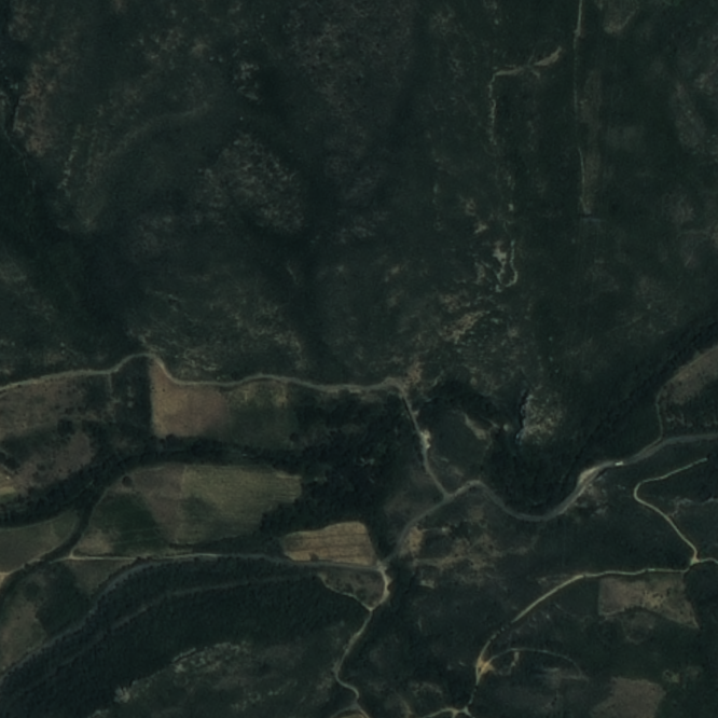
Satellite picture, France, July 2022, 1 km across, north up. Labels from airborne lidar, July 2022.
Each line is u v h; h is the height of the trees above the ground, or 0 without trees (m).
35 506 12
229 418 0
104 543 0
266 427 0
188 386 0
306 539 0
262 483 0
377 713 9
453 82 0
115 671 7
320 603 9
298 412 6
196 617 6
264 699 0
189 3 0
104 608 7
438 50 0
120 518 0
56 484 6
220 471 0
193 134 0
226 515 0
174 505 0
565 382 9
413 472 0
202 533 0
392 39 0
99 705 10
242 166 0
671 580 0
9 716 7
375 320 0
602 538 7
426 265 0
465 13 0
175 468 0
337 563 0
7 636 0
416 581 8
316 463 9
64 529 0
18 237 7
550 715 6
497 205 0
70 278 10
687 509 0
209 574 6
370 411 8
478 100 0
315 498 12
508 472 20
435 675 15
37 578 0
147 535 0
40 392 0
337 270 0
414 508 0
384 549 9
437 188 0
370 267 0
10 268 0
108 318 6
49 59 0
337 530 0
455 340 8
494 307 11
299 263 6
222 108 0
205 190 0
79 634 7
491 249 0
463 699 11
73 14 0
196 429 0
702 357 0
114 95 0
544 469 14
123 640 7
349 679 9
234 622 7
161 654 7
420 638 9
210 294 0
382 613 8
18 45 6
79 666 8
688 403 7
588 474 0
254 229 6
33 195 7
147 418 8
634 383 9
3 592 9
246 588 7
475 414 8
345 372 7
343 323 0
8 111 9
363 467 9
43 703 8
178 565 7
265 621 7
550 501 14
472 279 0
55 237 9
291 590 7
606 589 0
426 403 7
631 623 0
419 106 0
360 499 17
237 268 0
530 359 0
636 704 0
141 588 5
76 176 0
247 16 0
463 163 0
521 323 0
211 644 7
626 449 7
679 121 0
